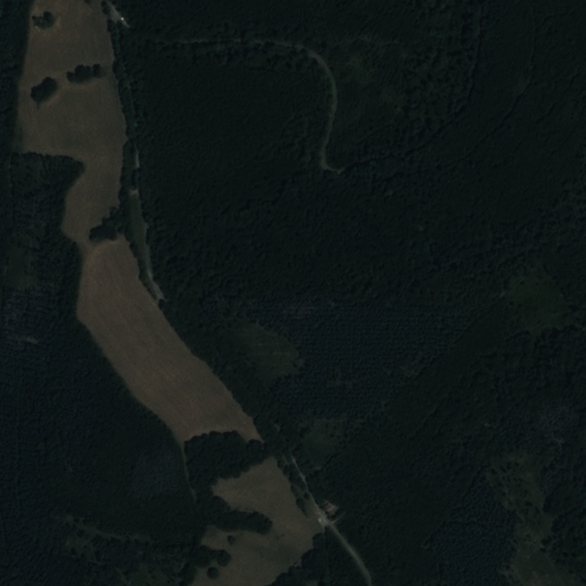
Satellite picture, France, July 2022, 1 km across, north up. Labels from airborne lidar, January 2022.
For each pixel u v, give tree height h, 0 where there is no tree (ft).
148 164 42
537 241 66
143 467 48
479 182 63
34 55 0
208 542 0
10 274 0
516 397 69
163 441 39
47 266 63
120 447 34
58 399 57
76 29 0
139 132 53
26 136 0
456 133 67
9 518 67
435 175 83
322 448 0
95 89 0
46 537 57
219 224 75
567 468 58
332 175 69
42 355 63
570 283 84
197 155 44
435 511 50
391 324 51
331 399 56
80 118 0
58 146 0
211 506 46
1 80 62
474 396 86
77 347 41
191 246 75
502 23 39
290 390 64
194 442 48
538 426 60
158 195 43
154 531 62
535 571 0
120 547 72
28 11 27
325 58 0
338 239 77
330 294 57
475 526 49
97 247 0
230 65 79
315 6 61
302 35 72
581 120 31
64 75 0
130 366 0
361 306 56
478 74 58
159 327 0
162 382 0
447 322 28
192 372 0
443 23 40
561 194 24
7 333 57
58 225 43
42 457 52
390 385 47
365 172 66
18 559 47
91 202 0
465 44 99
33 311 59
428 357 53
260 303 62
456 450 55
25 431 56
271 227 77
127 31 63
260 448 45
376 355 50
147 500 48
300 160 64
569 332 93
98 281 0
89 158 0
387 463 37
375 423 33
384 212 77
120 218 46
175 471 43
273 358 0
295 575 66
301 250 76
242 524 56
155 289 0
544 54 30
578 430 88
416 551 43
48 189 62
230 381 51
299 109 60
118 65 61
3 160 54
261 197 59
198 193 60
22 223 62
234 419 0
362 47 19
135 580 0
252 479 0
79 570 50
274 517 0
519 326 65
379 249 77
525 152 37
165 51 76
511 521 61
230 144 50
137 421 39
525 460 0
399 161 90
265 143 65
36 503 55
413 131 76
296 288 55
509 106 38
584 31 26
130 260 0
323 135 60
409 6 26
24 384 43
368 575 0
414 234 84
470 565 62
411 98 85
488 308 44
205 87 64
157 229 61
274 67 75
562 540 42
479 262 74
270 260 85
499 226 67
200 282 68
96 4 0
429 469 66
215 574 45
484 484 66
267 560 0
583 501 99
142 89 55
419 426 54
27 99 0
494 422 78
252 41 54
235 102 61
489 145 55
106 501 43
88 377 60
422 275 102
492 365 101
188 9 63
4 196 56
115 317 0
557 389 68
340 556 22
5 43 53
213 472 35
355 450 31
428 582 41
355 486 48
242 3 61
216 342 49
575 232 60
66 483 33
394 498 58
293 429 44
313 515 0
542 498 0
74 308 39
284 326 56
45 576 60
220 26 73
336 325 55
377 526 43
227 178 42
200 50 73
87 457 39
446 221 89
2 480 65
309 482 45
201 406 0
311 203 85
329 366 56
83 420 53
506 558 64
